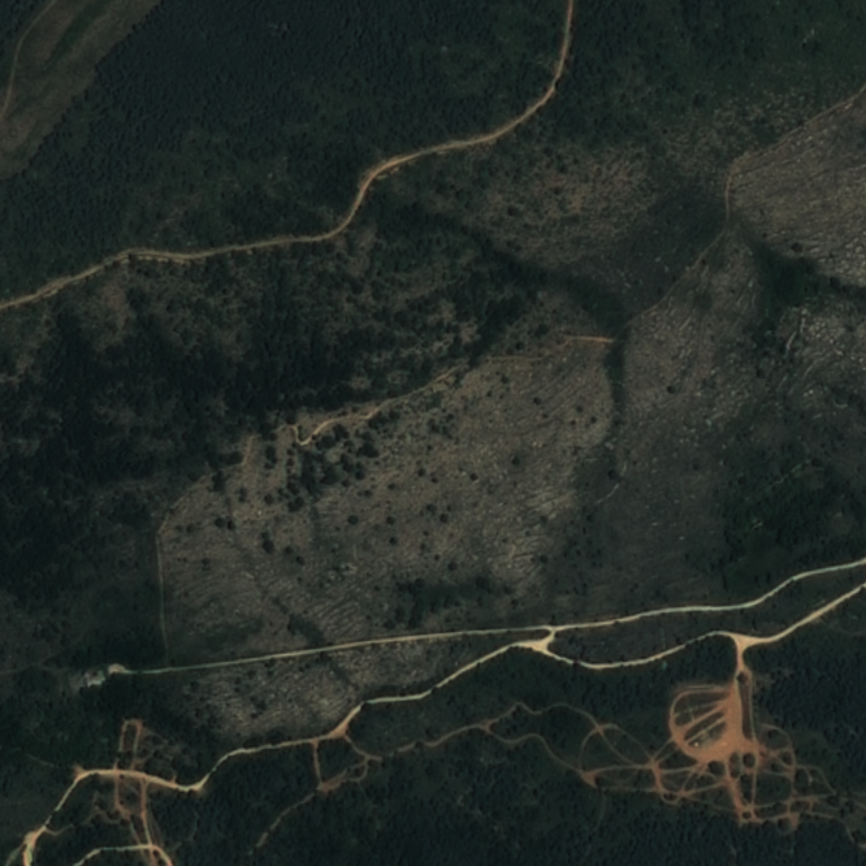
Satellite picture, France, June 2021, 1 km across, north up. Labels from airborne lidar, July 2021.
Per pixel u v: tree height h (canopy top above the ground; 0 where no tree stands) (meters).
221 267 9
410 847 11
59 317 11
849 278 0
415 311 8
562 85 9
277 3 12
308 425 0
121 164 10
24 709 8
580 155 0
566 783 7
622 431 0
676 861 13
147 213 7
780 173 0
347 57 8
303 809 11
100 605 7
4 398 8
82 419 13
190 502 0
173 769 8
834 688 10
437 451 0
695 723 0
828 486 9
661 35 9
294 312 7
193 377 8
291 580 0
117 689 14
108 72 10
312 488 10
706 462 0
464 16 9
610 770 0
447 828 10
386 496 0
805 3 8
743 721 0
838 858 10
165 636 0
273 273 8
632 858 15
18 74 0
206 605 0
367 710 10
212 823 6
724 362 0
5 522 11
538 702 7
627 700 12
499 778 9
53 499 9
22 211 7
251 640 0
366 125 9
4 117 0
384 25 9
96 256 8
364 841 10
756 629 6
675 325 0
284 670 0
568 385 0
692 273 0
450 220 9
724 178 0
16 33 9
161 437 7
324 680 0
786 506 6
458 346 6
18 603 9
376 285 9
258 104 7
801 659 11
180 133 6
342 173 9
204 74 9
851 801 7
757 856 7
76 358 12
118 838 10
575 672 6
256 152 12
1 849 8
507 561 0
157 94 13
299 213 6
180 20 14
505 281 8
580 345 0
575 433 0
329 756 8
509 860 8
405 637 0
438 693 8
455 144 0
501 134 0
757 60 8
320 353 11
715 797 0
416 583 7
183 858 6
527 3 8
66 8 0
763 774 0
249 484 0
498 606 0
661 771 0
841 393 6
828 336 0
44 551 11
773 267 9
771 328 7
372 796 10
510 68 8
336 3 10
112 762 7
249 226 7
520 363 0
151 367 8
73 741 9
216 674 0
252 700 7
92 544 9
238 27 12
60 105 0
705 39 6
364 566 0
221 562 0
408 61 9
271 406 10
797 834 9
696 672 9
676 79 10
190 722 8
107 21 0
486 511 0
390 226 9
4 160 0
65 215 6
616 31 6
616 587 0
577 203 0
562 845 9
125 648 11
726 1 8
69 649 6
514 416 0
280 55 13
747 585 0
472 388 0
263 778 8
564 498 0
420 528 0
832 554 8
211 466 7
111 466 15
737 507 7
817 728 12
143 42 11
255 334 6
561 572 0
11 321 0
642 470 0
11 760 8
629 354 0
